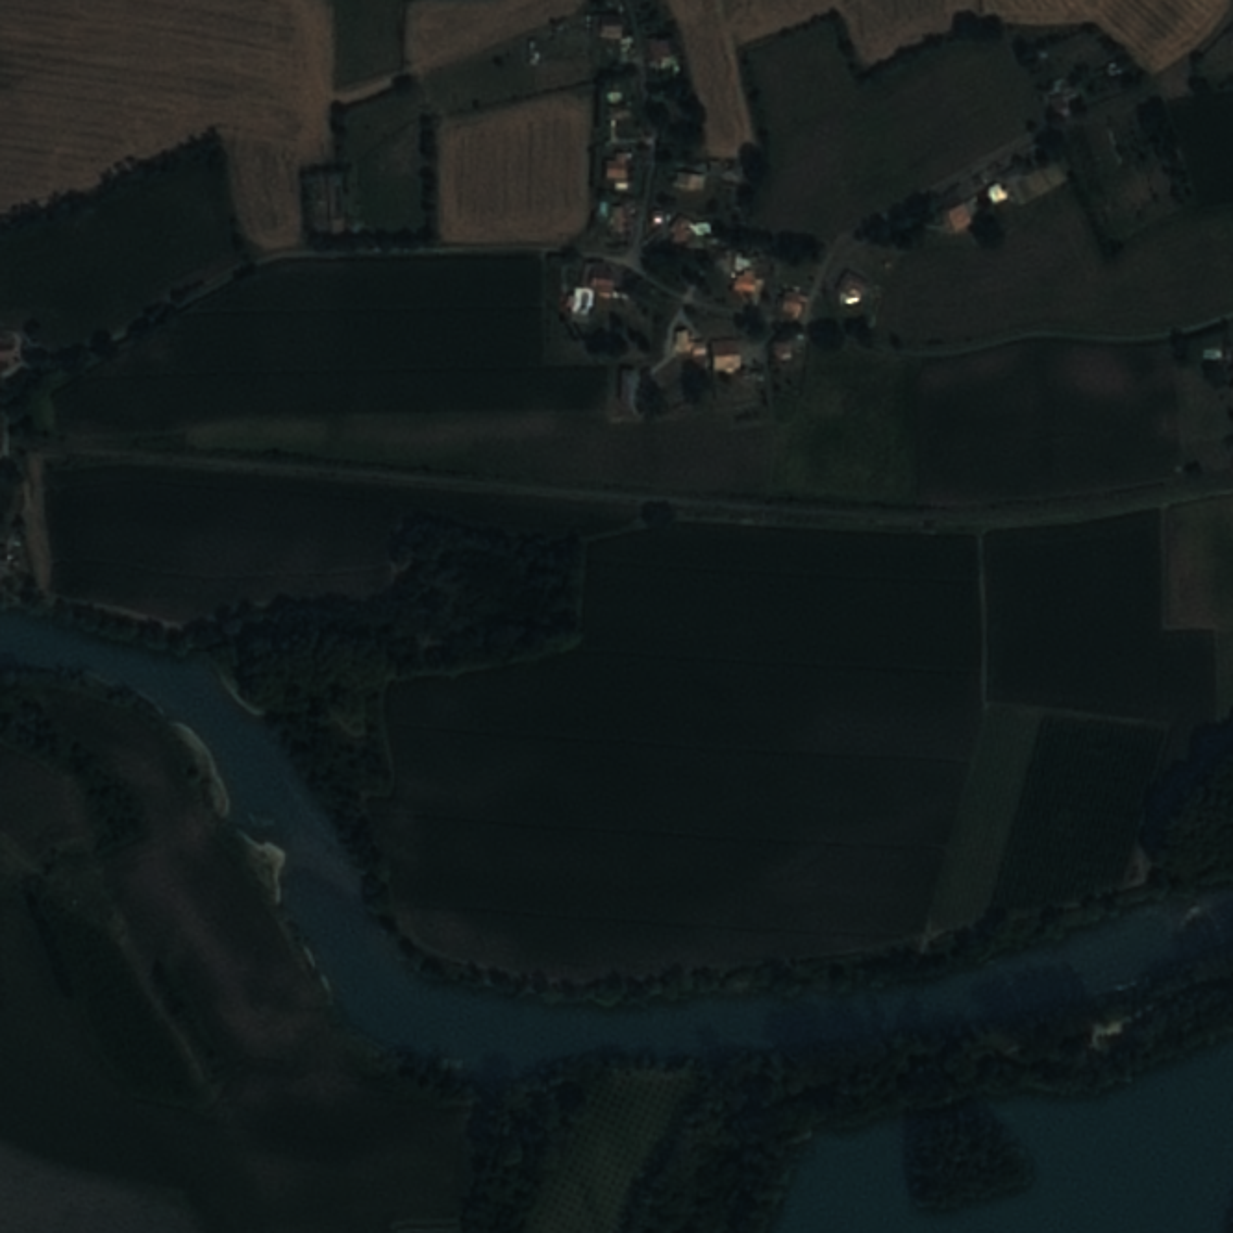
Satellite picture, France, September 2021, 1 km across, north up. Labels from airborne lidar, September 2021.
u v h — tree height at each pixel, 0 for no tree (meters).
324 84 0
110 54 0
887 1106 15
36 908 12
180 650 15
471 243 0
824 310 0
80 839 0
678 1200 20
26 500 0
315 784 14
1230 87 6
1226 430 0
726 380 10
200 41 0
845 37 6
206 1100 0
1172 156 10
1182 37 0
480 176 0
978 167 0
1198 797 33
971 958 13
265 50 0
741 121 0
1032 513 0
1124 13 0
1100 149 0
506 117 0
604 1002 16
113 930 0
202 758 0
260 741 0
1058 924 11
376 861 15
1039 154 10
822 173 0
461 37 0
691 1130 17
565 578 13
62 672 7
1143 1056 14
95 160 0
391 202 0
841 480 0
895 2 0
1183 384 0
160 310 7
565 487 0
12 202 0
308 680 33
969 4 0
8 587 7
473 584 9
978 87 0
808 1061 38
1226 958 34
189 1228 0
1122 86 9
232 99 0
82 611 9
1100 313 0
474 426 0
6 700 7
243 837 0
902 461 0
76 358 14
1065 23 0
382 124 0
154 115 0
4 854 0
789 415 0
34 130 0
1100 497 0
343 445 0
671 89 14
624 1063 14
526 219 0
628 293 11
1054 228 0
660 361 0
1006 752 0
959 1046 21
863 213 0
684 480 0
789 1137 11
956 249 0
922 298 0
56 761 7
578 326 0
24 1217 0
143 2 0
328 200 0
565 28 0
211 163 13
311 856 0
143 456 0
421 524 14
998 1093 6
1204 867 34
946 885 0
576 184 0
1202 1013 26
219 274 0
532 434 0
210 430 0
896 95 0
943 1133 22
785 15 0
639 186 0
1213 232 0
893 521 0
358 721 9
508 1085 27
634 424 0
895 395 0
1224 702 0
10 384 8
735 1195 12
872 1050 35
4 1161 0
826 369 0
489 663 8
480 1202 12
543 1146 28
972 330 0
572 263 11
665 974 9
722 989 11
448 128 0
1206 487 0
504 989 16
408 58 0
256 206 0
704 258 9
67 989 15
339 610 18
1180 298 0
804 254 14
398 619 22
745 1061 6
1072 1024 32
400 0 0
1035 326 0
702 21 0
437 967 14
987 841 0
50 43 0
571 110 0
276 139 0
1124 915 0
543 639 24
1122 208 0
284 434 0
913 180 0
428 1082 8
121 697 10
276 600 8
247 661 34
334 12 0
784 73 0
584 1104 19
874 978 26
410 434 0
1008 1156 23
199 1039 0
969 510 0
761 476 0
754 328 21
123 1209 0
